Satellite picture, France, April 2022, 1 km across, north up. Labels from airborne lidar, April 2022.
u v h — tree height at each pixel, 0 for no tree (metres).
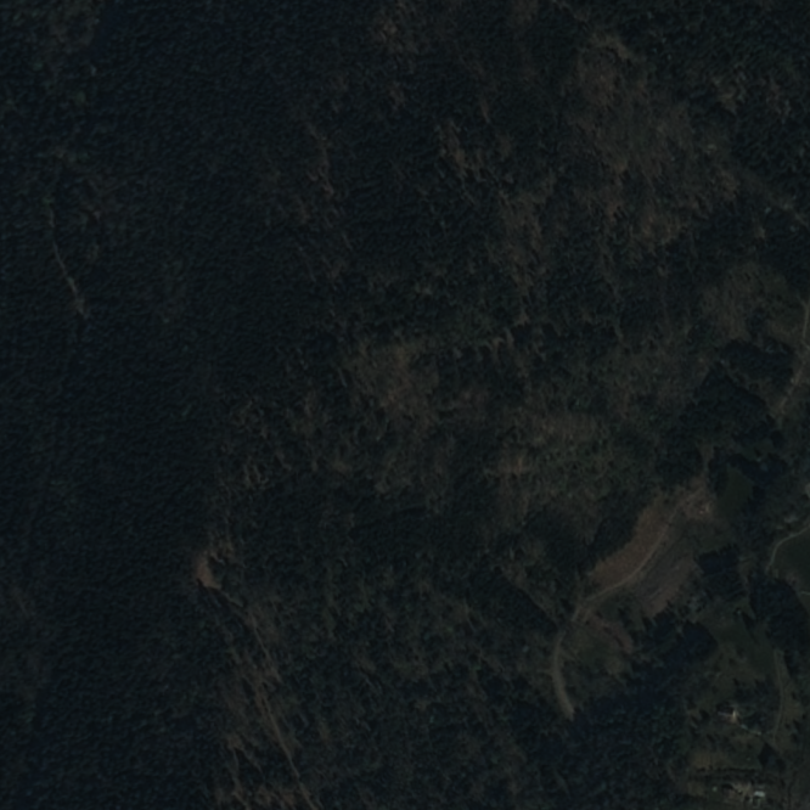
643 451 25
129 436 29
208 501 28
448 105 28
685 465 26
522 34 24
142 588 25
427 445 25
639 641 22
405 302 22
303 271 27
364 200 32
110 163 31
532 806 27
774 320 18
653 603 0
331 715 31
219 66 27
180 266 28
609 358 14
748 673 0
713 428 31
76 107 31
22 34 34
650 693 15
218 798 32
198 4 29
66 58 37
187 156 24
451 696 23
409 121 27
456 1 21
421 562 28
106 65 28
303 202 30
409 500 26
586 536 21
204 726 26
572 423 14
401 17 26
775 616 29
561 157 24
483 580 28
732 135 26
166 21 31
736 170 28
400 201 30
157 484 28
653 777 25
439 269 23
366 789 31
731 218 40
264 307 24
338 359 20
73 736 30
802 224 27
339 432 22
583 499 26
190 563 26
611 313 26
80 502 23
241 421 25
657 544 0
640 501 22
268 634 18
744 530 22
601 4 18
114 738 32
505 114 24
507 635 27
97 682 30
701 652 25
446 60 24
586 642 0
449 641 26
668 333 18
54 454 25
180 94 31
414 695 28
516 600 22
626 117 27
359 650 33
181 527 27
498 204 23
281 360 31
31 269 30
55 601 28
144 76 30
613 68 26
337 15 26
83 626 27
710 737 0
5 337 31
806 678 13
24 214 29
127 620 29
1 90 33
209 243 25
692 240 27
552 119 25
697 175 28
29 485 25
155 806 29
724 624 15
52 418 24
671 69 34
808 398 9
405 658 26
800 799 0
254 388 28
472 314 29
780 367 27
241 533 31
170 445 26
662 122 28
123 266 30
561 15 27
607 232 23
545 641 24
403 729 18
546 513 25
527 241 25
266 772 15
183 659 26
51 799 28
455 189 30
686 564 0
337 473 26
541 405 20
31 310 30
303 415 25
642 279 31
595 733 40
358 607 34
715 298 19
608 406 25
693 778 7
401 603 28
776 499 25
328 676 29
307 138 23
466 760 18
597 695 17
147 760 34
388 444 21
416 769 13
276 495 30
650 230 23
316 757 30
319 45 24
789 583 0
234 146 28
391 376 23
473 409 24
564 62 26
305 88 23
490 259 40
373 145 28
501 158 19
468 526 27
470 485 27
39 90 32
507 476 18
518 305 15
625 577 0
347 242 27
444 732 33
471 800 9
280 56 27
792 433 9
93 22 17
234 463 24
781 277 24
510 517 24
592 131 24
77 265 22
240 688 18
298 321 29
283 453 14
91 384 31
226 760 31
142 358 29
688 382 26
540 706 8
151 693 28
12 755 29
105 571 28
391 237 27
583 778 33
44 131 31
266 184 28
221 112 21
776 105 29
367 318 12
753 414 26
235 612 8
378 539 28
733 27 29
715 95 30
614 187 26
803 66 29
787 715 0
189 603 30
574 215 24
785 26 17
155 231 23
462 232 31
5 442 26
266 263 22
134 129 33
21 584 26
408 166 20
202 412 25
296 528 30
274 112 23
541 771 32
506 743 24
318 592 30
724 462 25
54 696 30
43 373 29
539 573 8
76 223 24
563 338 32
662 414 23
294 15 27
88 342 12
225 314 26
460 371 31
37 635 34
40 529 26
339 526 32
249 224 23
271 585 25
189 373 23
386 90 28
